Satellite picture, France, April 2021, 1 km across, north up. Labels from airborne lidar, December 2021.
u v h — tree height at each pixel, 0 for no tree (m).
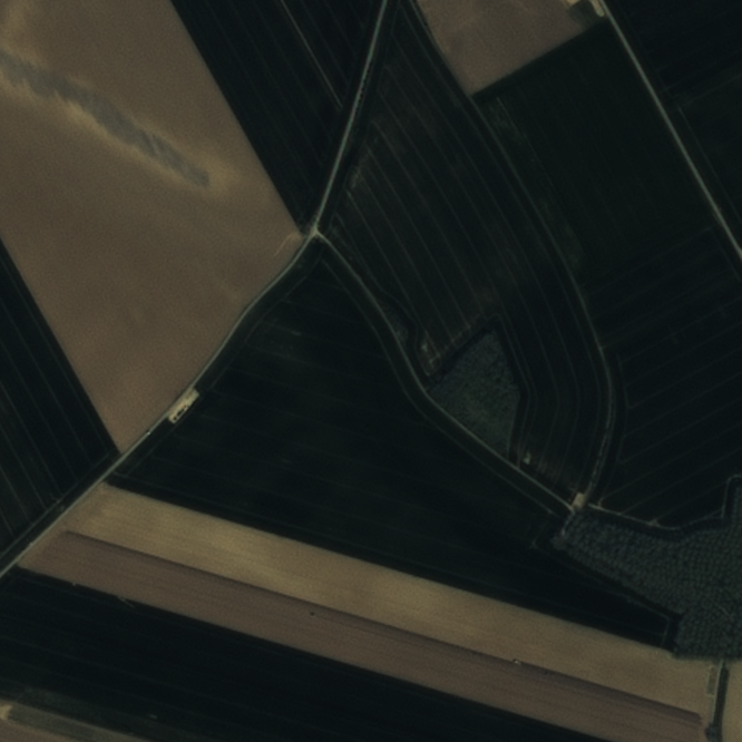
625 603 0
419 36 0
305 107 0
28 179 0
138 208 0
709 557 28
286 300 0
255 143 0
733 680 0
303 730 0
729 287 0
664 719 0
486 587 0
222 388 0
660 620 0
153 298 0
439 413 0
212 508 0
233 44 0
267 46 0
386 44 0
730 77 0
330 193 0
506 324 0
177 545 0
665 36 0
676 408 0
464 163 0
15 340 0
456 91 0
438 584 0
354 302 0
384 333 0
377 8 0
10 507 0
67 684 0
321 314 0
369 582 0
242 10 0
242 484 0
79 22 0
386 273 0
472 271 0
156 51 0
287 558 0
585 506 0
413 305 0
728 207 0
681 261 0
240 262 0
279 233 0
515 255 0
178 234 0
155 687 0
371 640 0
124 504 0
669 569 26
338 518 0
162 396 0
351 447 0
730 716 0
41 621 0
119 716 0
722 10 0
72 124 0
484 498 0
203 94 0
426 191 0
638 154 0
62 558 0
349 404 0
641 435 0
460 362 16
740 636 32
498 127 0
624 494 0
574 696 0
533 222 0
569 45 0
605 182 0
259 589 0
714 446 0
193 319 0
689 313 0
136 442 0
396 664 0
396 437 0
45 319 0
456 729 0
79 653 0
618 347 0
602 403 0
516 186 0
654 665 0
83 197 0
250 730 0
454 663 0
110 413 0
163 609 0
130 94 0
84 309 0
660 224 0
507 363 16
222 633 0
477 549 0
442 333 0
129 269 0
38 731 0
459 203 0
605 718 0
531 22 0
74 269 0
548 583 0
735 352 0
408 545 0
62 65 0
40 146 0
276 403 0
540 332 0
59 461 0
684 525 0
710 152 0
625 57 0
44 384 0
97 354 0
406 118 0
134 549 0
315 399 0
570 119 0
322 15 0
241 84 0
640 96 0
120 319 0
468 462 0
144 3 0
